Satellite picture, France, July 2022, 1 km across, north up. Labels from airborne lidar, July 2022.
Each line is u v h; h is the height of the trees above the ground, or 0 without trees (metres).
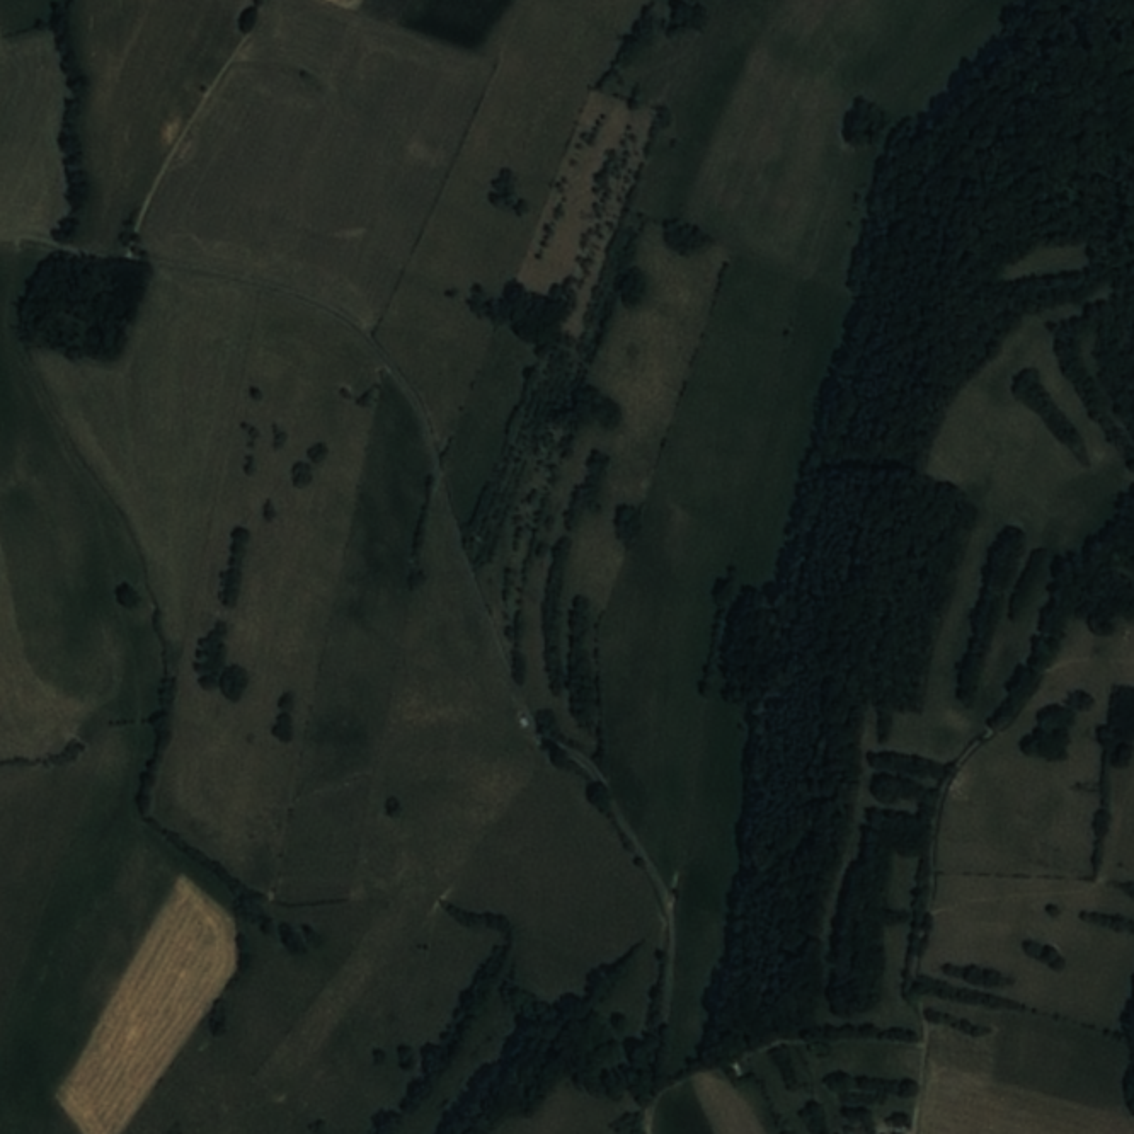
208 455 0
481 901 0
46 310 9
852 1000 24
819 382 0
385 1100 0
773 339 0
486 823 0
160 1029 0
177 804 0
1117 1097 0
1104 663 0
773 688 23
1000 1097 0
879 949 15
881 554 26
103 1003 0
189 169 0
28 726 0
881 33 0
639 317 0
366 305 0
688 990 0
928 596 15
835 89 0
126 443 0
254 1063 0
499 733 0
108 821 0
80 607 0
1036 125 18
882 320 26
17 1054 0
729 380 0
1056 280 16
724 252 0
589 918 0
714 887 0
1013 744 0
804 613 31
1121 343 17
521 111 0
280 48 0
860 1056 0
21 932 0
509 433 7
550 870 0
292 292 0
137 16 0
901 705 17
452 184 0
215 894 0
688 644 0
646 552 0
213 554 0
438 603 0
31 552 0
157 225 0
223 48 0
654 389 0
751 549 0
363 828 0
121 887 0
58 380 0
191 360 0
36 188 0
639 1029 0
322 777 0
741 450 0
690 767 0
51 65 0
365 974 0
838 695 31
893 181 19
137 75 0
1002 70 26
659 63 0
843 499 30
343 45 0
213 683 7
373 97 0
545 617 7
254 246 0
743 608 17
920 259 25
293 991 0
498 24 0
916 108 0
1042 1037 0
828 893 17
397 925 0
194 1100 0
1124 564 13
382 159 0
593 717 6
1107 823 9
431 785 0
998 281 8
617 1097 11
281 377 0
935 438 6
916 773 15
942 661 0
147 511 0
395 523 0
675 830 0
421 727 0
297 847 0
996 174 18
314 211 0
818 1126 8
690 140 0
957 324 17
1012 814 0
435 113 0
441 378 0
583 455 0
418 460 0
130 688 0
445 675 0
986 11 0
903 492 25
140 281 15
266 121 0
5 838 0
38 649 0
